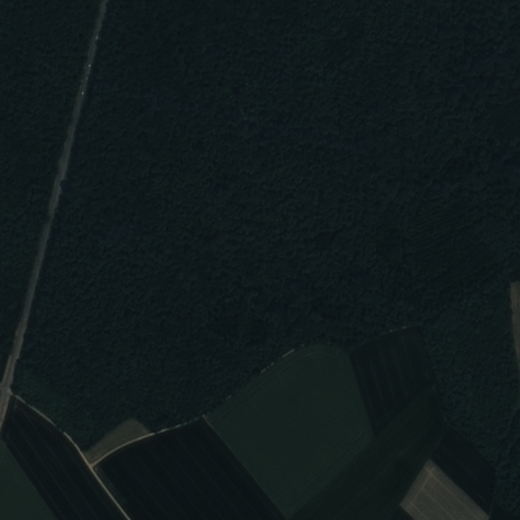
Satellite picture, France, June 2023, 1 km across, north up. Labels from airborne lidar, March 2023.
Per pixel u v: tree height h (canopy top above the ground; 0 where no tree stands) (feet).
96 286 79
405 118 84
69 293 79
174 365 69
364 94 71
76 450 0
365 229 64
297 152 86
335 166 65
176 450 0
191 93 81
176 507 0
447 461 0
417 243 47
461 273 62
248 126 95
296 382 0
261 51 80
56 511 0
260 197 74
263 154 65
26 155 74
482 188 70
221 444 0
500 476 62
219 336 75
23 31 75
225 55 69
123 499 0
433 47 78
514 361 58
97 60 57
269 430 0
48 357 75
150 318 73
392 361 0
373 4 66
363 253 63
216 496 0
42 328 76
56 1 66
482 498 0
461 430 46
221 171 39
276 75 68
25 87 74
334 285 54
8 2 63
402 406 0
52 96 71
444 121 72
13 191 67
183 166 88
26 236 64
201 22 90
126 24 90
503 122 66
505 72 86
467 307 60
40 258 0
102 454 0
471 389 72
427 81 59
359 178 83
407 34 78
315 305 24
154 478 0
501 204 64
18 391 34
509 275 30
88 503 0
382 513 0
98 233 75
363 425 0
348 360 0
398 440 0
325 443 0
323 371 0
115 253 80
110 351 61
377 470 0
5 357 0
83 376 74
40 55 80
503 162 64
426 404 0
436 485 0
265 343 80
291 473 0
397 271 68
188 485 0
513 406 54
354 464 0
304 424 0
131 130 91
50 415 38
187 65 90
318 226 60
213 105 80
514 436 67
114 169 74
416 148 77
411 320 85
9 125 68
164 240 84
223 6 84
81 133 69
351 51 78
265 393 0
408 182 93
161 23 79
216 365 20
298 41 67
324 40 51
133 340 63
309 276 80
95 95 70
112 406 64
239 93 75
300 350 0
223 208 71
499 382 63
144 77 82
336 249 61
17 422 0
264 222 57
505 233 45
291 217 63
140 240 78
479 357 64
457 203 60
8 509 0
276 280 62
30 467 0
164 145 89
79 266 76
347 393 0
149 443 0
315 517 0
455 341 77
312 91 77
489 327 61
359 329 25
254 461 0
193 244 66
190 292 62
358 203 71
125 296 71
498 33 76
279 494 0
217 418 0
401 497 0
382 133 74
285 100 82
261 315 67
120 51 81
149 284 68
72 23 72
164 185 71
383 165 69
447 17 51
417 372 0
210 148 73
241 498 0
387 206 78
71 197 84
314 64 73
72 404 58
